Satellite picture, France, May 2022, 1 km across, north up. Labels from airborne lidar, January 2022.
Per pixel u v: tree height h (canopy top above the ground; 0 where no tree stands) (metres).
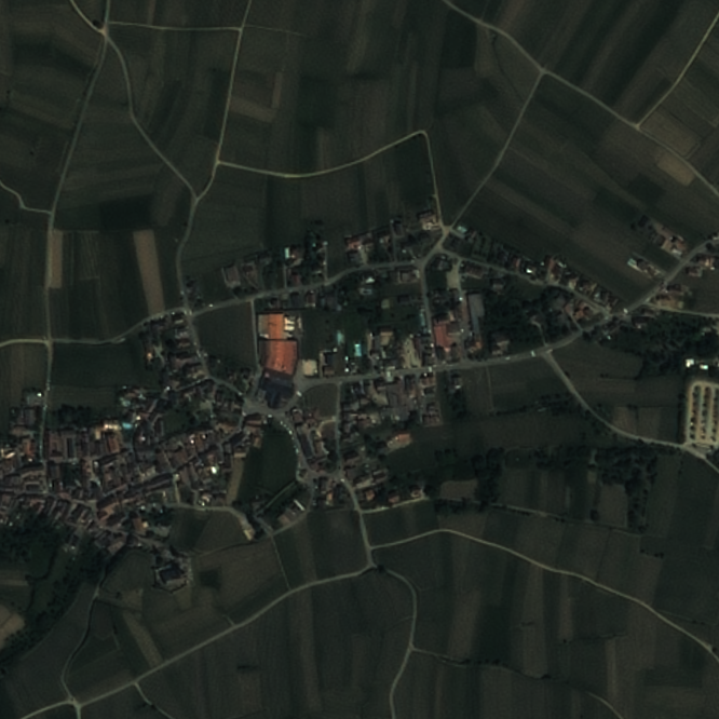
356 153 0
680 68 0
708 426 0
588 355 0
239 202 0
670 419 0
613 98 0
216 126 0
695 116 0
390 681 0
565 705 0
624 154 0
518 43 0
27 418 0
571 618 0
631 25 0
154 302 0
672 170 0
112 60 0
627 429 0
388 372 0
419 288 0
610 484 13
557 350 0
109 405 0
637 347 0
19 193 0
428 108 0
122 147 0
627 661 0
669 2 0
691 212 0
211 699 0
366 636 0
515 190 0
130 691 0
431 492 12
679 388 0
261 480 0
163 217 0
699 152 0
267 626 0
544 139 0
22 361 0
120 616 0
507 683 0
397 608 0
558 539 0
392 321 0
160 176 0
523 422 0
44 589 0
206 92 0
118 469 0
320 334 0
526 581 0
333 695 0
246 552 0
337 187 0
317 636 0
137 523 0
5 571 0
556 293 10
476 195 0
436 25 0
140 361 0
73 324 0
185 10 0
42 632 6
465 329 0
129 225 0
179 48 0
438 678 0
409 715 0
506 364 0
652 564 0
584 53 0
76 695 0
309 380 0
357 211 0
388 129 0
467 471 0
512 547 0
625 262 0
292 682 0
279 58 0
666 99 0
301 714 0
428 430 0
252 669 0
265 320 0
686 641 0
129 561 0
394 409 0
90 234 0
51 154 0
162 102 0
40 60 0
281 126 0
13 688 0
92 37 0
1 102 0
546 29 0
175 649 0
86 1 0
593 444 0
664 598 0
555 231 0
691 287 0
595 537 0
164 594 0
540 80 0
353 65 0
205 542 0
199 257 0
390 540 0
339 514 0
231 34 0
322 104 0
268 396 0
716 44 0
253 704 0
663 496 0
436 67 0
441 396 0
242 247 0
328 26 0
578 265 0
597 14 0
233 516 0
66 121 0
